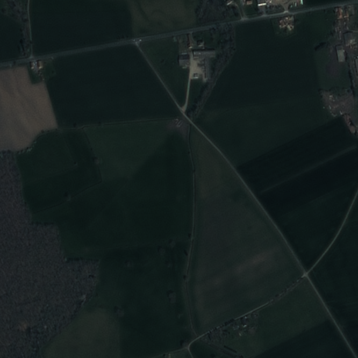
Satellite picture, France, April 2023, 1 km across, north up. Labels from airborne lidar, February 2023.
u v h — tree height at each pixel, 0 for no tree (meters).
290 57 0
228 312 0
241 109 0
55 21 0
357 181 0
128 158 0
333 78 0
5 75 0
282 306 0
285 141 0
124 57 0
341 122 0
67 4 0
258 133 0
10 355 14
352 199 0
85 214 0
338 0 0
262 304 0
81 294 23
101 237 0
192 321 0
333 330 0
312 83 0
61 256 17
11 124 0
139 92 0
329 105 0
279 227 0
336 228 0
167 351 0
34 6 0
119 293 0
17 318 23
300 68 0
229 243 0
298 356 0
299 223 0
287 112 0
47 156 0
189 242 0
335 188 0
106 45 0
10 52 0
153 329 0
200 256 0
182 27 0
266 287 0
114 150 0
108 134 0
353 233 0
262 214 0
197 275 0
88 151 0
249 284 0
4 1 0
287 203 0
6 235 18
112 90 0
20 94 0
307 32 0
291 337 0
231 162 0
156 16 0
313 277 0
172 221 0
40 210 0
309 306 0
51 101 0
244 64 0
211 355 0
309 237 0
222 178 0
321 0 0
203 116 0
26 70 0
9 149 0
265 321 0
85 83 0
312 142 0
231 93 0
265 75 0
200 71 0
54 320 19
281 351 0
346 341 0
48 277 15
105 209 0
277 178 0
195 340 0
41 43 0
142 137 0
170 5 0
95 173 0
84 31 0
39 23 0
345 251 0
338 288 0
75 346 0
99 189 0
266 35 0
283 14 0
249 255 0
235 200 0
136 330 0
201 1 16
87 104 0
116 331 0
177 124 0
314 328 0
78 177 0
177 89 0
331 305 0
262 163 0
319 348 0
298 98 0
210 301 0
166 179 0
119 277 0
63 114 0
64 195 0
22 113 0
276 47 0
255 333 0
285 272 0
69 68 0
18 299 21
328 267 0
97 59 0
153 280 0
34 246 17
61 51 0
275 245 0
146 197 0
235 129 0
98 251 0
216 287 0
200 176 0
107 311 0
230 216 0
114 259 0
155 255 0
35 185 0
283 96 0
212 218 0
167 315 0
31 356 11
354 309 0
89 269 21
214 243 0
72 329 0
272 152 0
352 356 0
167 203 0
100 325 0
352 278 0
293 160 0
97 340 0
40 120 0
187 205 0
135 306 0
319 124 0
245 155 0
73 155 0
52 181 0
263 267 0
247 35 0
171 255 0
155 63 0
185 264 0
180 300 0
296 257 0
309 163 0
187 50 0
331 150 0
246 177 0
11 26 0
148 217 0
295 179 0
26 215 19
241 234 0
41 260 20
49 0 0
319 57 0
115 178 0
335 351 0
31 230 14
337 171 0
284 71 0
